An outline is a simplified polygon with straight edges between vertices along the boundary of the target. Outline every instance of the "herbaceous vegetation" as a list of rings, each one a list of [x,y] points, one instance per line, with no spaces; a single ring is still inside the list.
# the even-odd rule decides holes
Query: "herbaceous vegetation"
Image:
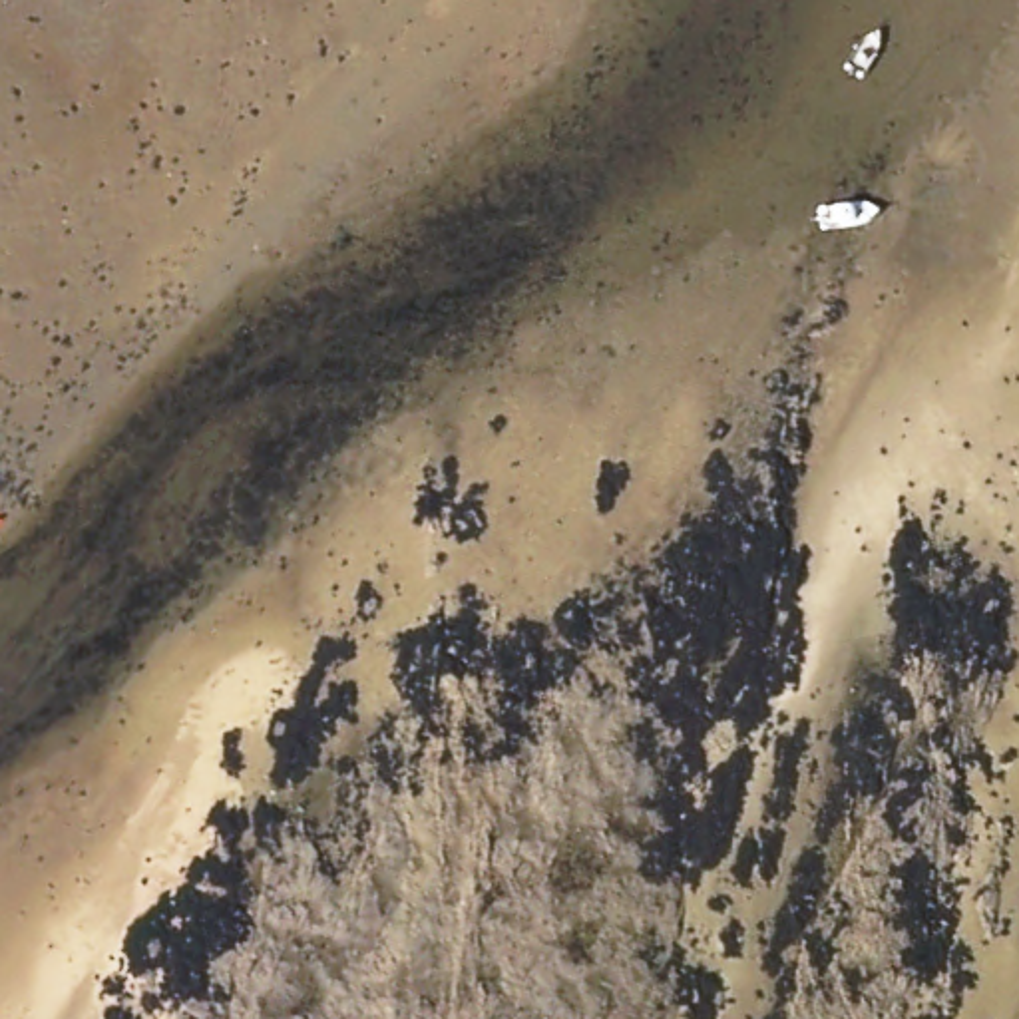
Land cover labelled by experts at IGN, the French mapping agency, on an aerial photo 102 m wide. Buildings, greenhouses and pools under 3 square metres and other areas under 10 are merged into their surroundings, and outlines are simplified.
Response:
[[[279,836],[283,808],[259,800],[255,808],[211,808],[211,828],[219,832],[219,840],[243,832]]]
[[[724,764],[716,764],[716,784],[705,808],[693,808],[685,784],[697,780],[701,764],[709,760],[705,736],[713,724],[732,720],[736,728],[752,732],[768,716],[772,697],[800,681],[800,589],[808,581],[808,545],[796,545],[796,486],[804,474],[780,450],[748,450],[752,462],[768,462],[772,486],[760,486],[756,478],[736,478],[724,454],[713,454],[705,462],[705,482],[713,494],[709,513],[685,513],[681,537],[665,545],[657,557],[669,569],[673,589],[685,593],[685,605],[669,605],[661,589],[649,589],[645,609],[653,625],[653,653],[637,657],[625,677],[633,681],[633,701],[653,705],[673,728],[681,728],[681,744],[657,744],[645,720],[625,728],[633,756],[649,764],[657,784],[653,796],[641,796],[641,808],[661,812],[665,820],[665,832],[653,836],[641,852],[641,876],[653,884],[701,884],[701,876],[716,868],[716,860],[724,856],[744,808],[752,752],[732,748]]]
[[[271,736],[275,784],[303,780],[314,768],[318,748],[334,732],[334,724],[354,720],[358,709],[358,685],[350,665],[354,641],[318,641],[310,669],[303,673],[295,705],[275,713],[283,720],[283,732]]]
[[[716,1019],[720,975],[709,967],[693,967],[677,979],[677,1003],[689,1019]]]
[[[904,967],[919,983],[935,979],[939,971],[951,975],[951,1003],[963,1007],[963,991],[975,987],[975,971],[971,947],[955,935],[959,888],[955,880],[935,876],[935,864],[927,856],[912,856],[900,864],[900,896],[892,916],[892,927],[908,931]]]
[[[888,780],[904,780],[904,792],[888,800],[884,824],[892,840],[908,844],[919,832],[916,820],[908,820],[904,812],[923,796],[931,764],[900,768],[896,732],[884,724],[880,709],[892,701],[900,716],[916,716],[916,705],[900,681],[880,677],[872,669],[860,677],[860,685],[868,689],[868,705],[856,705],[848,724],[832,728],[836,780],[828,784],[824,804],[816,812],[816,832],[832,840],[848,808],[856,808],[864,796],[880,796]]]
[[[414,716],[438,713],[446,705],[442,677],[478,681],[486,673],[498,673],[502,693],[494,716],[506,732],[494,748],[486,748],[478,724],[462,724],[466,760],[498,764],[521,752],[537,740],[529,720],[537,697],[545,689],[569,685],[577,665],[589,657],[593,621],[589,601],[581,593],[561,601],[553,617],[521,617],[510,625],[506,637],[486,637],[482,593],[474,585],[462,585],[454,617],[434,613],[422,629],[406,629],[394,637],[394,685],[402,697],[410,701]]]
[[[207,852],[191,860],[187,880],[215,880],[223,884],[223,896],[199,896],[187,888],[167,892],[131,923],[123,939],[131,971],[163,971],[163,991],[171,1003],[199,999],[211,979],[211,959],[239,947],[251,935],[255,880],[247,872],[239,876],[227,860],[215,860]]]
[[[904,657],[931,653],[935,665],[975,661],[979,669],[983,653],[1007,633],[991,625],[991,613],[983,605],[1007,593],[1007,581],[995,569],[987,581],[979,581],[975,557],[967,553],[963,537],[939,549],[931,537],[923,537],[919,521],[904,521],[888,557],[896,577],[892,649]]]
[[[784,836],[752,832],[732,872],[736,884],[748,884],[752,872],[760,872],[764,880],[776,876]]]
[[[804,848],[788,896],[776,912],[772,939],[764,947],[764,971],[784,963],[784,951],[796,943],[800,927],[816,919],[820,896],[828,888],[824,856]]]
[[[772,788],[764,796],[764,812],[784,820],[792,816],[800,752],[808,748],[808,720],[800,716],[796,728],[776,744]]]

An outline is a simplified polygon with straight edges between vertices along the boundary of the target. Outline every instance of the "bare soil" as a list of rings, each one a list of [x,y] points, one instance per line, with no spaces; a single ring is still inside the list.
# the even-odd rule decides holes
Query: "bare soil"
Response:
[[[159,776],[143,788],[115,840],[100,844],[96,856],[88,856],[92,888],[80,888],[64,904],[64,916],[48,919],[48,927],[36,923],[0,959],[0,1019],[689,1019],[677,1003],[677,979],[693,967],[709,967],[720,975],[716,1019],[1019,1019],[1019,24],[995,36],[983,84],[971,88],[967,100],[951,100],[951,123],[935,139],[912,143],[904,159],[888,167],[892,207],[828,203],[792,227],[776,227],[768,235],[768,247],[744,247],[732,231],[720,231],[689,263],[657,263],[645,279],[637,279],[637,291],[613,295],[609,306],[561,295],[561,314],[517,326],[513,346],[506,350],[498,370],[462,370],[438,402],[422,410],[402,410],[398,418],[370,426],[346,450],[322,458],[314,466],[314,482],[306,482],[295,506],[279,513],[275,533],[299,537],[306,529],[318,529],[322,517],[334,513],[342,486],[354,486],[362,498],[378,498],[390,474],[398,474],[406,462],[418,462],[422,494],[414,517],[450,521],[454,541],[482,537],[486,482],[458,494],[458,422],[470,394],[529,390],[541,406],[557,406],[573,394],[577,410],[585,414],[601,402],[605,390],[621,390],[633,406],[625,430],[637,434],[653,422],[665,422],[681,390],[697,386],[705,394],[705,410],[713,414],[713,454],[724,454],[736,478],[756,478],[760,486],[772,486],[768,462],[752,462],[748,450],[780,450],[804,474],[796,486],[796,545],[808,545],[808,581],[800,589],[800,681],[772,697],[768,716],[752,732],[736,728],[732,720],[713,724],[705,736],[709,760],[701,764],[697,780],[685,784],[693,808],[705,808],[716,784],[716,764],[724,764],[732,748],[752,752],[744,808],[724,856],[716,860],[716,868],[701,876],[701,884],[653,884],[641,876],[641,852],[653,836],[665,832],[665,820],[661,812],[641,808],[641,796],[653,796],[657,784],[649,764],[633,756],[625,728],[645,720],[657,744],[681,744],[681,728],[673,728],[653,705],[633,701],[633,681],[625,677],[637,657],[653,653],[653,625],[645,609],[649,589],[661,589],[669,605],[685,605],[685,593],[673,589],[669,569],[657,557],[641,565],[617,561],[597,589],[581,593],[589,601],[593,621],[589,657],[577,665],[569,685],[545,689],[537,697],[529,720],[537,740],[521,752],[498,764],[466,760],[462,724],[478,724],[486,748],[494,748],[506,732],[494,716],[502,693],[498,673],[486,673],[478,681],[442,677],[446,705],[438,713],[414,716],[410,701],[402,697],[382,716],[358,709],[354,720],[334,724],[334,732],[318,748],[314,768],[303,780],[275,784],[271,736],[283,732],[283,720],[275,713],[295,705],[303,673],[287,657],[287,649],[251,649],[223,661],[211,673],[211,681],[187,701],[187,713],[167,744]],[[939,549],[963,537],[967,553],[975,557],[979,581],[987,581],[995,569],[1007,581],[1007,593],[983,605],[991,613],[991,625],[1007,633],[983,653],[979,669],[975,661],[935,665],[931,653],[904,657],[892,649],[896,577],[888,557],[904,521],[919,521],[923,537],[931,537]],[[916,705],[916,716],[900,716],[892,701],[880,709],[884,724],[896,732],[900,768],[931,764],[923,796],[904,812],[908,820],[916,820],[919,832],[908,844],[892,840],[884,824],[888,800],[904,792],[904,780],[888,780],[880,796],[864,796],[856,808],[848,808],[832,840],[816,832],[816,812],[824,804],[828,784],[836,780],[832,728],[848,724],[856,705],[868,705],[868,689],[860,685],[860,677],[872,669],[880,677],[900,681]],[[764,796],[772,788],[776,744],[796,728],[800,716],[808,720],[808,748],[800,752],[792,816],[784,820],[764,812]],[[283,808],[279,836],[243,832],[219,840],[219,832],[211,828],[211,808],[255,808],[259,800]],[[732,872],[752,832],[784,836],[776,876],[764,880],[760,872],[752,872],[748,884],[736,884]],[[816,919],[800,927],[796,943],[784,951],[784,963],[764,971],[764,947],[772,939],[776,912],[788,896],[804,848],[824,856],[828,888],[820,896]],[[131,971],[123,939],[131,923],[167,892],[187,888],[199,896],[223,896],[223,884],[215,880],[187,880],[191,860],[207,852],[215,860],[227,860],[239,876],[247,872],[255,880],[251,935],[239,947],[211,959],[211,979],[199,999],[171,1003],[163,991],[163,971]],[[975,987],[963,991],[963,1007],[951,1003],[951,975],[939,971],[935,979],[919,983],[904,967],[908,931],[892,927],[892,916],[900,896],[900,864],[912,856],[927,856],[935,864],[935,876],[955,880],[959,888],[955,935],[971,947],[975,971]]]
[[[601,513],[617,506],[629,482],[629,466],[605,462],[597,478]]]
[[[422,191],[430,179],[446,171],[446,155],[454,143],[466,143],[478,131],[502,123],[517,100],[525,100],[533,88],[545,88],[557,76],[557,68],[569,64],[569,48],[589,20],[593,0],[0,0],[0,545],[16,541],[24,529],[52,513],[52,502],[60,498],[68,470],[103,434],[115,430],[119,418],[127,418],[127,406],[151,382],[151,374],[175,358],[175,350],[195,334],[195,326],[207,322],[235,295],[235,287],[247,275],[279,275],[303,263],[318,243],[330,243],[338,231],[378,235],[390,223],[402,195]]]

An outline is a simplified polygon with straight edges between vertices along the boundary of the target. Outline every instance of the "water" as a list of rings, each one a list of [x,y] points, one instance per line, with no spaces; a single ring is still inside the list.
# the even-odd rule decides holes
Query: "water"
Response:
[[[100,844],[115,840],[143,788],[159,776],[167,744],[187,713],[187,701],[211,681],[211,673],[223,661],[251,649],[287,649],[287,657],[303,673],[310,669],[318,641],[354,641],[350,665],[358,685],[358,709],[382,716],[402,697],[394,685],[394,637],[406,629],[422,629],[434,613],[454,617],[462,585],[474,585],[482,593],[486,637],[506,637],[510,625],[521,617],[553,617],[561,601],[581,593],[597,589],[617,561],[641,565],[657,557],[665,545],[681,537],[685,513],[709,513],[713,494],[705,482],[705,462],[713,454],[713,414],[705,410],[705,394],[697,386],[681,390],[665,422],[653,422],[637,434],[625,430],[633,406],[621,390],[605,390],[601,402],[585,414],[577,410],[573,394],[557,406],[541,406],[529,390],[470,394],[458,422],[458,494],[486,482],[482,537],[454,541],[450,521],[414,517],[422,494],[418,462],[406,462],[398,474],[390,474],[378,498],[362,498],[354,486],[342,486],[334,513],[322,517],[318,529],[306,529],[299,537],[275,533],[279,513],[295,506],[306,482],[314,482],[314,466],[322,458],[346,450],[370,426],[398,418],[402,410],[422,410],[438,402],[462,370],[498,370],[506,350],[513,346],[517,326],[561,314],[561,295],[609,306],[613,295],[637,291],[637,279],[645,279],[657,263],[689,263],[720,231],[732,231],[744,247],[768,247],[768,235],[776,227],[792,227],[828,203],[892,207],[888,167],[904,159],[912,143],[935,139],[951,123],[951,100],[967,100],[971,88],[983,84],[995,36],[1019,24],[1019,0],[593,0],[589,20],[569,48],[569,64],[557,68],[557,76],[545,88],[533,88],[525,100],[517,100],[502,123],[478,131],[466,143],[454,143],[446,155],[446,171],[430,179],[422,191],[402,195],[390,223],[378,235],[338,231],[330,243],[318,243],[303,263],[279,275],[247,275],[235,287],[235,295],[207,322],[195,326],[195,334],[175,350],[175,358],[151,374],[151,382],[127,406],[127,418],[119,418],[115,430],[103,434],[68,470],[60,498],[52,502],[52,513],[24,529],[16,541],[0,545],[0,959],[36,923],[48,927],[48,919],[64,916],[64,904],[80,888],[92,888],[88,856],[96,856]],[[597,478],[605,462],[629,466],[629,482],[617,506],[601,513]]]

